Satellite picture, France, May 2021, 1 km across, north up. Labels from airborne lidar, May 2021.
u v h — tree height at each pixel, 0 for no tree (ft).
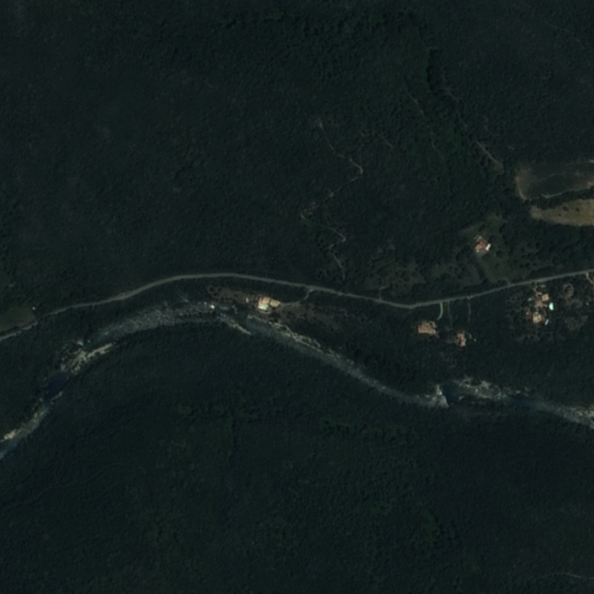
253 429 42
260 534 20
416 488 26
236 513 25
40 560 23
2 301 31
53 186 21
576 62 28
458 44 25
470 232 0
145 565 30
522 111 29
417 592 21
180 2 44
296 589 18
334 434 49
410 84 49
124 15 55
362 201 27
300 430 47
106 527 21
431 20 25
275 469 37
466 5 26
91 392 20
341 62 24
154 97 36
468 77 27
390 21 40
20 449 47
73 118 18
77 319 43
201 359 26
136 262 23
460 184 32
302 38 36
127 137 20
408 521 30
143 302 30
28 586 40
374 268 33
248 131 31
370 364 55
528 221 39
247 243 18
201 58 37
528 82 18
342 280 36
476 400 19
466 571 23
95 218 28
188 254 33
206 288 30
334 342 20
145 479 25
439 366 22
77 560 26
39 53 23
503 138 22
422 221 25
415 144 46
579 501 39
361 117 28
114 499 28
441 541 22
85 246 34
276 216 22
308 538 31
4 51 18
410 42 47
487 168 42
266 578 18
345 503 42
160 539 34
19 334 27
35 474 26
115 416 28
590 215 0
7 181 23
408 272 21
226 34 45
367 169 27
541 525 27
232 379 26
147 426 23
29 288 22
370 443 40
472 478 26
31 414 46
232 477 30
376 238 41
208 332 30
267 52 34
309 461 18
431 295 23
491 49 17
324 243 42
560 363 31
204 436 22
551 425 24
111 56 34
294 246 18
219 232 32
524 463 39
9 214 29
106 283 22
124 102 21
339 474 18
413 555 18
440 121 31
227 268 28
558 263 22
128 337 40
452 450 33
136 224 26
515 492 23
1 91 23
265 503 33
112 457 22
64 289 21
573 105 19
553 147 28
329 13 47
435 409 34
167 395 24
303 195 28
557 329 29
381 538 29
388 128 33
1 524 19
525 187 0
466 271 32
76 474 22
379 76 30
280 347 32
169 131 25
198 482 18
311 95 28
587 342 20
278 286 25
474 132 33
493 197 37
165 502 35
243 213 20
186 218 38
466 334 26
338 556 19
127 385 22
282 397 40
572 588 31
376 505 29
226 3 41
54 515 23
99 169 21
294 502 26
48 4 22
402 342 22
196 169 33
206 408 30
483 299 19
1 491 19
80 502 20
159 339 37
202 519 21
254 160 31
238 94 21
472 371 39
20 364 38
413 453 44
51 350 31
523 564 37
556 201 34
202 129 20
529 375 25
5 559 39
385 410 24
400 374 35
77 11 32
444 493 35
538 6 23
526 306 29
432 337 24
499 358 28
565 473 40
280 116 30
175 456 30
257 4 50
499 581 26
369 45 41
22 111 29
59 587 25
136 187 22
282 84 31
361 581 25
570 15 33
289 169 38
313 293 31
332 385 27
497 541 19
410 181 38
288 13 47
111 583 20
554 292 25
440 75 56
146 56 46
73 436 22
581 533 30
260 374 21
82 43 27
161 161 22
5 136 23
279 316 19
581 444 39
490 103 33
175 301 21
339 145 27
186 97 25
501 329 31
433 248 40
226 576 31
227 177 27
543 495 40
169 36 40
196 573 29
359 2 40
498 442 39
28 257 24
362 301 26
